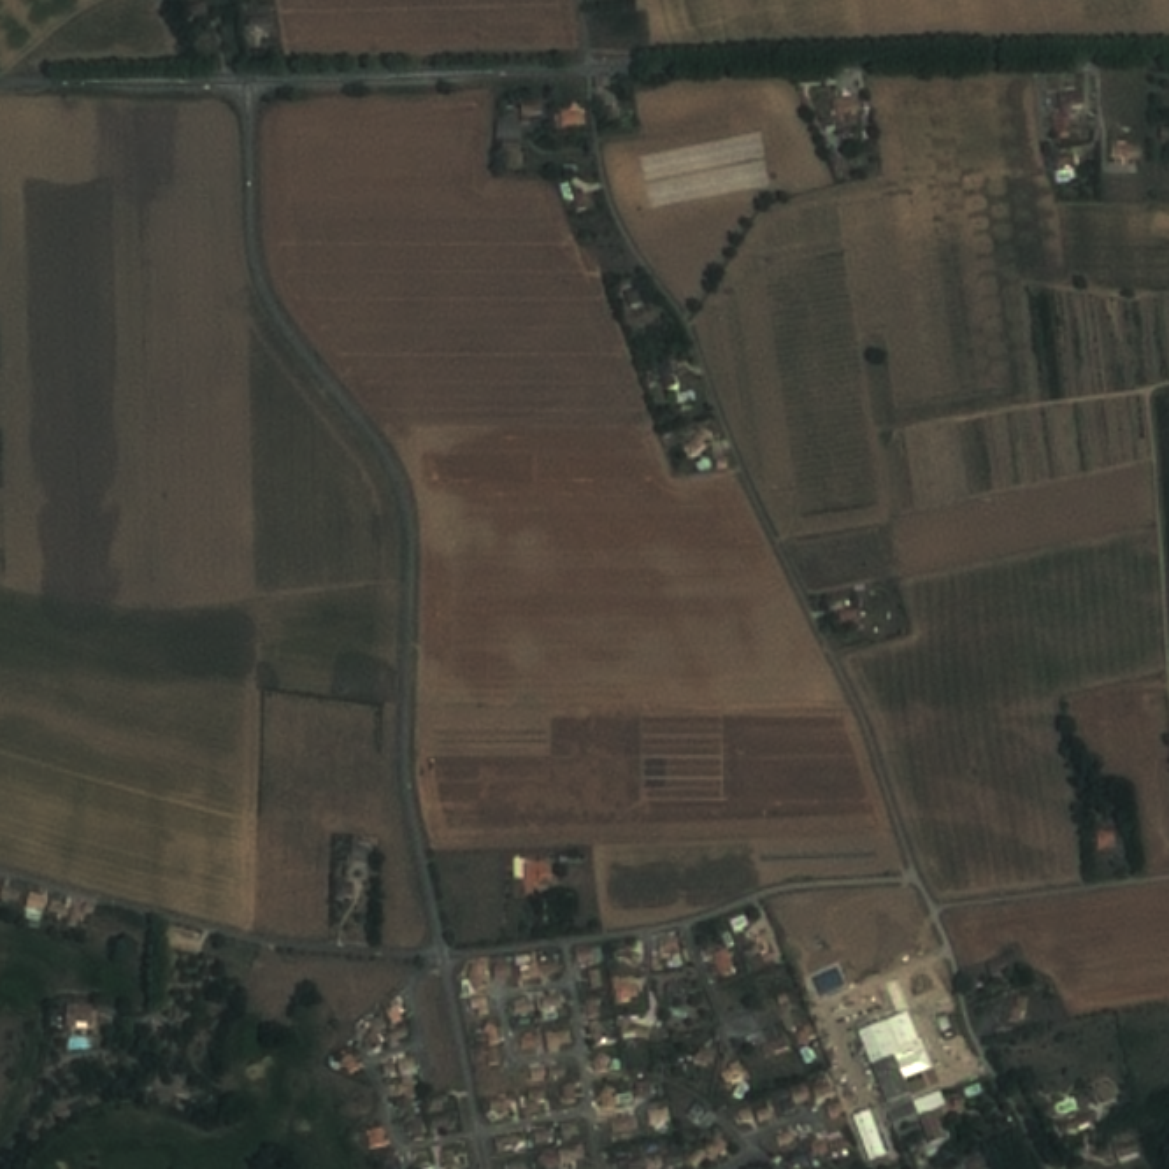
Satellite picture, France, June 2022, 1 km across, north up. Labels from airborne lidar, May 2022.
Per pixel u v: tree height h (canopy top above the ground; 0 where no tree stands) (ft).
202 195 0
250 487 0
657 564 0
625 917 0
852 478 0
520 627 0
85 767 0
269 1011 0
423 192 0
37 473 0
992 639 0
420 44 0
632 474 0
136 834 0
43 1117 38
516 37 0
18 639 0
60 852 0
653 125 0
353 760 0
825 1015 0
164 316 0
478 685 0
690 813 0
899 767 0
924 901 0
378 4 0
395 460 0
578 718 0
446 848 0
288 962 0
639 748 0
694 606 0
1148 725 0
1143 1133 20
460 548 0
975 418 0
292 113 0
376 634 0
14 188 0
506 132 0
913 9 0
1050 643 0
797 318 0
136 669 0
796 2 0
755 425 0
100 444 0
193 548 0
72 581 0
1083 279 22
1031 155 0
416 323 0
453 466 0
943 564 0
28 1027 34
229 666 0
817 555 0
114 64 70
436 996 0
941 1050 0
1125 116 0
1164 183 0
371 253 0
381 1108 0
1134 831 37
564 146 22
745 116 0
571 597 0
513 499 0
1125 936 0
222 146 0
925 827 0
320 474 0
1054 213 0
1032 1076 33
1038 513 0
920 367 0
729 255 35
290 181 0
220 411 0
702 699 0
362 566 0
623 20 0
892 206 0
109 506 0
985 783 0
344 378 0
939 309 0
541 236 0
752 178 0
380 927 28
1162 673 0
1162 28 0
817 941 0
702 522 0
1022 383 0
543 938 40
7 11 0
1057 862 0
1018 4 0
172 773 0
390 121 0
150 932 34
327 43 0
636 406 0
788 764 0
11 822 0
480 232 0
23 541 0
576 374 0
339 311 0
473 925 0
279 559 0
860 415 0
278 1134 0
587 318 0
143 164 0
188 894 0
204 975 23
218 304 0
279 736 0
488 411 0
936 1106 0
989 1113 38
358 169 0
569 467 0
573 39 0
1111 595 0
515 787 0
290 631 0
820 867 0
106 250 0
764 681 0
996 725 0
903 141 0
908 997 0
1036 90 0
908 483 0
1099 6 0
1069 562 0
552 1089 0
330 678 0
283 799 0
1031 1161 43
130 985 0
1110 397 0
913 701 0
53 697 0
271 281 0
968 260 0
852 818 0
